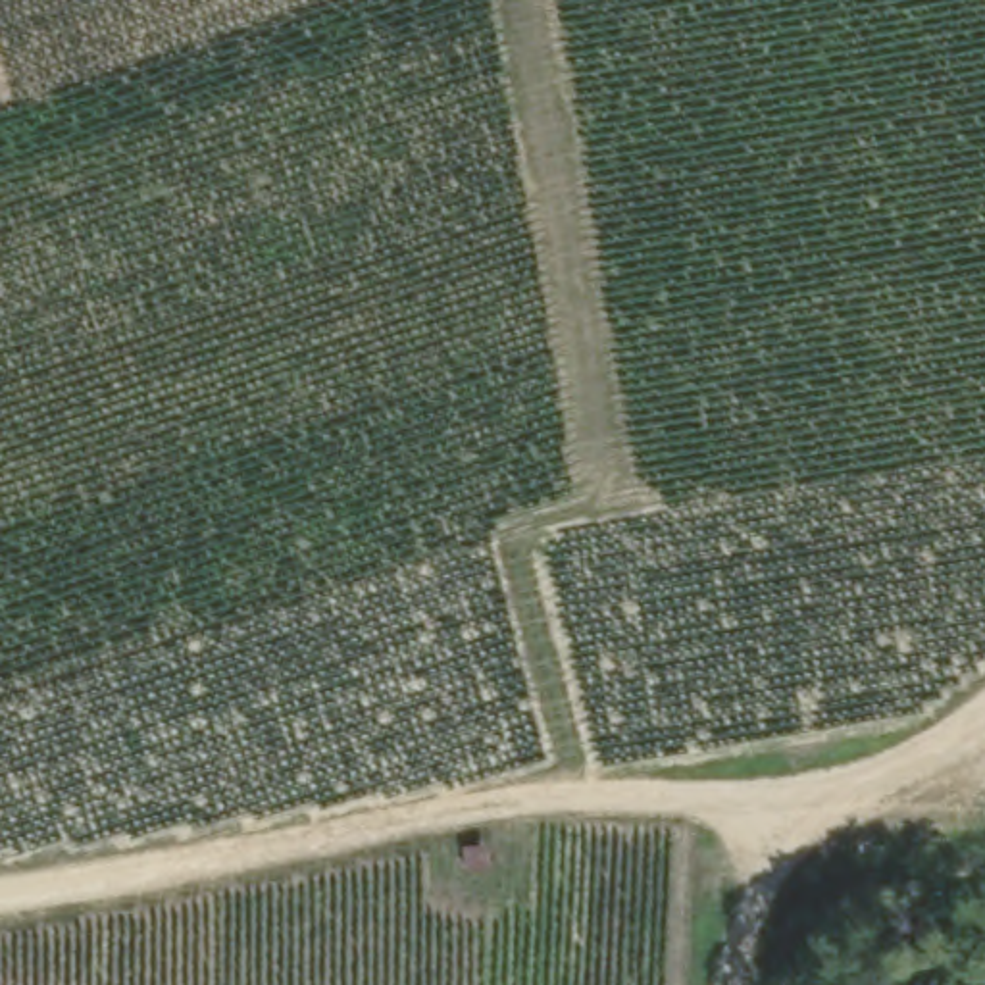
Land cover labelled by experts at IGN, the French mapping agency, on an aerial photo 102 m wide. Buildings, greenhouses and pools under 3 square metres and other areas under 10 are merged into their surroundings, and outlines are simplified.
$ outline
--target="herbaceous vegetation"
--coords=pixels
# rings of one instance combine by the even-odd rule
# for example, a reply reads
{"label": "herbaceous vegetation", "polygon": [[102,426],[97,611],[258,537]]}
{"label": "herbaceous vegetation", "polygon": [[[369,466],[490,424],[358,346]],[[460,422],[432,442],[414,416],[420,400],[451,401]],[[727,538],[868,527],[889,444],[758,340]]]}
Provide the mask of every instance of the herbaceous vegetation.
{"label": "herbaceous vegetation", "polygon": [[689,985],[708,985],[700,962],[723,931],[723,893],[696,897],[689,908]]}
{"label": "herbaceous vegetation", "polygon": [[935,789],[912,781],[885,793],[870,823],[846,823],[804,850],[777,854],[766,870],[777,881],[777,893],[766,908],[754,950],[762,985],[773,985],[793,970],[793,947],[785,939],[793,923],[816,916],[816,893],[823,893],[831,881],[881,881],[881,889],[920,885],[920,900],[939,908],[947,923],[954,923],[954,904],[958,904],[958,900],[966,900],[966,897],[985,897],[985,789],[970,777]]}

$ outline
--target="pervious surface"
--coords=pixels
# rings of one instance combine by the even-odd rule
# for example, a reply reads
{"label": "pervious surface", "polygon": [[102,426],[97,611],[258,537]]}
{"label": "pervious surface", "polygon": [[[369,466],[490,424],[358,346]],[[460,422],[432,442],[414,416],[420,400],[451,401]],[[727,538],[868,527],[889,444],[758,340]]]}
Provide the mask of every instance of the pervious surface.
{"label": "pervious surface", "polygon": [[777,893],[777,881],[766,870],[777,854],[804,850],[846,823],[870,823],[885,793],[912,781],[935,789],[970,777],[985,789],[985,689],[973,700],[966,700],[954,716],[947,716],[939,727],[893,750],[793,777],[612,781],[569,773],[531,785],[427,785],[392,796],[373,793],[342,804],[300,804],[269,816],[239,816],[235,839],[212,839],[200,846],[0,877],[0,916],[77,900],[115,900],[127,893],[242,873],[292,858],[342,854],[354,846],[373,846],[404,835],[462,831],[485,820],[554,812],[646,812],[700,820],[727,846],[739,877],[739,885],[723,893],[723,931],[700,962],[708,985],[762,985],[754,950],[766,908]]}

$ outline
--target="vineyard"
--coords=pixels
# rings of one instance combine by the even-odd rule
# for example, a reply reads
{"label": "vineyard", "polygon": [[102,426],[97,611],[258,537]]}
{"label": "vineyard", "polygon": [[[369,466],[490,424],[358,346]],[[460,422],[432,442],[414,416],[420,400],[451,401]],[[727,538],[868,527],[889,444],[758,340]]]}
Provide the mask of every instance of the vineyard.
{"label": "vineyard", "polygon": [[554,812],[485,820],[462,831],[404,835],[373,846],[354,846],[342,854],[292,858],[242,873],[127,893],[115,900],[77,900],[0,916],[0,985],[689,985],[689,908],[696,897],[723,893],[739,885],[739,877],[727,846],[700,820],[646,812]]}
{"label": "vineyard", "polygon": [[966,700],[973,700],[985,689],[985,0],[0,0],[0,877],[200,846],[212,839],[235,839],[239,816],[269,816],[300,804],[342,804],[373,793],[392,796],[427,785],[531,785],[569,773],[612,781],[793,777],[893,750],[939,727],[947,716],[954,716]]}

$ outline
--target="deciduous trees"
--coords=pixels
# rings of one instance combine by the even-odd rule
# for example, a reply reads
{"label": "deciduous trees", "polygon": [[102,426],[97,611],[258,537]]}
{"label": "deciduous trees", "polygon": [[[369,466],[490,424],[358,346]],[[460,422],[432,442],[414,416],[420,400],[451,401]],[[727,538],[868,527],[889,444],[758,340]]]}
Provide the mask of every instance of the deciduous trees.
{"label": "deciduous trees", "polygon": [[985,897],[966,897],[966,900],[958,900],[958,904],[954,904],[954,923],[954,927],[966,927],[966,931],[981,931],[981,927],[985,927]]}

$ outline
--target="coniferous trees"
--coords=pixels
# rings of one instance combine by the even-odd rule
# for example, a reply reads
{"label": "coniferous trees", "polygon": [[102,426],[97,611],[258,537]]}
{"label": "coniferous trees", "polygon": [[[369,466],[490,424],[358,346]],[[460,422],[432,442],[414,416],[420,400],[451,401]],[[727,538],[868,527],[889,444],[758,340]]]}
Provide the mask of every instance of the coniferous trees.
{"label": "coniferous trees", "polygon": [[816,893],[816,916],[793,923],[785,939],[793,947],[793,970],[773,985],[985,985],[985,927],[981,927],[981,931],[966,931],[966,927],[954,927],[954,923],[947,923],[939,908],[920,900],[920,885],[881,889],[881,881],[831,881],[823,893]]}

